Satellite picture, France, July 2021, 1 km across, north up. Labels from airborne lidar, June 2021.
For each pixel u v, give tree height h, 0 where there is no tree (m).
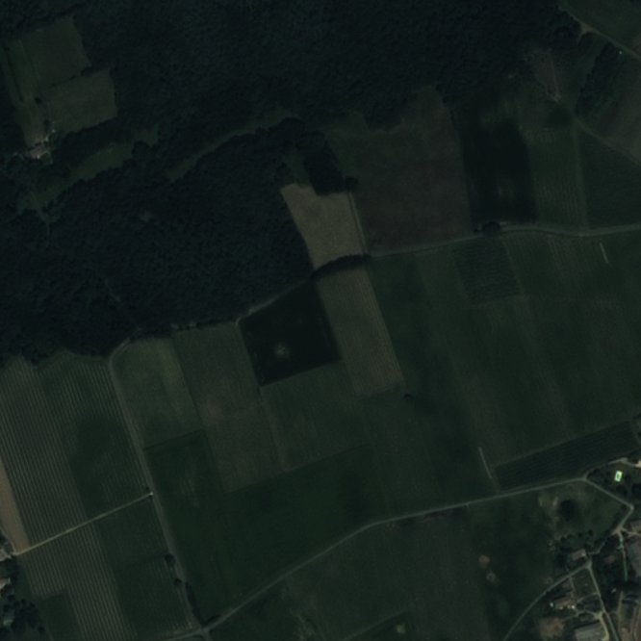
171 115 22
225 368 0
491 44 23
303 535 0
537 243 0
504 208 0
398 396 0
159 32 24
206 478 0
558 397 0
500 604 0
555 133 0
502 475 0
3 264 18
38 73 0
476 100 0
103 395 0
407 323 0
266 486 0
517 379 0
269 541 0
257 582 0
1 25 17
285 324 0
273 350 0
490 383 0
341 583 0
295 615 0
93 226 25
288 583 0
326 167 17
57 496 0
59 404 0
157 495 0
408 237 0
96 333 22
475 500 0
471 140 0
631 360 0
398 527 0
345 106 28
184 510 0
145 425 0
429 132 0
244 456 0
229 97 26
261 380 0
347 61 25
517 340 0
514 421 0
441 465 0
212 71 22
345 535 0
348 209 0
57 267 20
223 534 0
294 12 17
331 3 25
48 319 23
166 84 21
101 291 14
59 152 13
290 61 24
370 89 27
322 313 0
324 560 0
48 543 0
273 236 24
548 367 0
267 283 22
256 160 23
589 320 0
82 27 17
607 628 0
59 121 0
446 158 0
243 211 23
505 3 26
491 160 0
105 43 17
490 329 0
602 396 0
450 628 0
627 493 20
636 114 0
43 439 0
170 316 19
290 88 21
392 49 28
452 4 27
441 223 0
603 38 0
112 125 13
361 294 0
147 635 0
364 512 0
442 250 0
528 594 0
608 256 0
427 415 0
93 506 0
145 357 0
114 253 26
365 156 0
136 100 22
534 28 16
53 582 0
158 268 21
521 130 0
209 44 23
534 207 0
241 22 24
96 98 0
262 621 0
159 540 0
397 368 0
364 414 0
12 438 0
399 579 0
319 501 0
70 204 24
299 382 0
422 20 29
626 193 0
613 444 0
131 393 0
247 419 0
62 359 0
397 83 24
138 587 0
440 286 0
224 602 0
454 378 0
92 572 0
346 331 0
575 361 0
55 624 0
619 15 0
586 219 0
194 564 0
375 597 0
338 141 0
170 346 0
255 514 0
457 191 0
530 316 0
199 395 0
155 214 17
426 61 25
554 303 0
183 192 24
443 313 0
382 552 0
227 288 21
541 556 0
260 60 20
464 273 0
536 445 0
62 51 0
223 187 26
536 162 0
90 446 0
